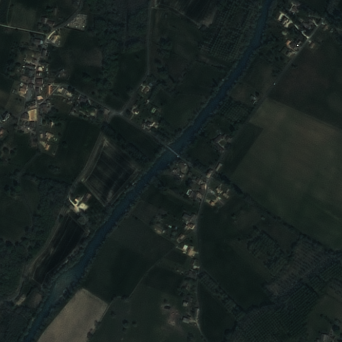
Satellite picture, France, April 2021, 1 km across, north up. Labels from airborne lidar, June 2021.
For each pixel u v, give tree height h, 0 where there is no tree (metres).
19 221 0
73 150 0
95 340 0
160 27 0
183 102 0
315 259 15
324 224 0
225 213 0
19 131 11
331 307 0
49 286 13
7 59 0
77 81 0
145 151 0
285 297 18
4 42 0
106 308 0
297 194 0
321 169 0
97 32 10
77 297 0
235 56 19
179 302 0
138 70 0
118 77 0
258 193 0
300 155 0
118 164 0
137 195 10
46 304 0
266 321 28
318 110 0
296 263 9
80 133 0
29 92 0
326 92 0
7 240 0
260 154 0
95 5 16
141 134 0
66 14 0
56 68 0
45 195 13
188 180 9
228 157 0
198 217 0
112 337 0
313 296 25
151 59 0
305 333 25
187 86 0
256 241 0
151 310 0
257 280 0
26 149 0
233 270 0
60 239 0
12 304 9
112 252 0
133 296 0
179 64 0
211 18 0
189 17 0
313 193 0
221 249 0
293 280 16
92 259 9
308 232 0
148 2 12
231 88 11
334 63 0
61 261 0
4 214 0
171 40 14
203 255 0
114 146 0
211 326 0
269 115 0
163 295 0
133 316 0
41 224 11
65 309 0
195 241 0
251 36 16
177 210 0
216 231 0
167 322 0
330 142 0
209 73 0
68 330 0
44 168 0
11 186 0
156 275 0
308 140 0
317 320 0
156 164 0
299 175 0
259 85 0
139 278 0
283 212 0
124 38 20
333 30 9
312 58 0
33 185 0
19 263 17
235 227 0
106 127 23
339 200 0
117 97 17
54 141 0
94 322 0
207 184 0
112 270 0
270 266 0
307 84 0
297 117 0
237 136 0
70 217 0
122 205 0
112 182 0
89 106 11
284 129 0
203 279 0
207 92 0
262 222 0
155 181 21
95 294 0
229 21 13
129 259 0
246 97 0
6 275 20
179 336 0
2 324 5
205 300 0
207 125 6
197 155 0
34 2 0
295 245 14
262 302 0
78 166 0
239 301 0
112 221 0
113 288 0
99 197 0
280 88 0
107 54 27
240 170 0
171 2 0
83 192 0
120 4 11
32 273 0
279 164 0
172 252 0
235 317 0
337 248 0
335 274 25
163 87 15
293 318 28
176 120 0
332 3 15
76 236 0
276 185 0
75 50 0
